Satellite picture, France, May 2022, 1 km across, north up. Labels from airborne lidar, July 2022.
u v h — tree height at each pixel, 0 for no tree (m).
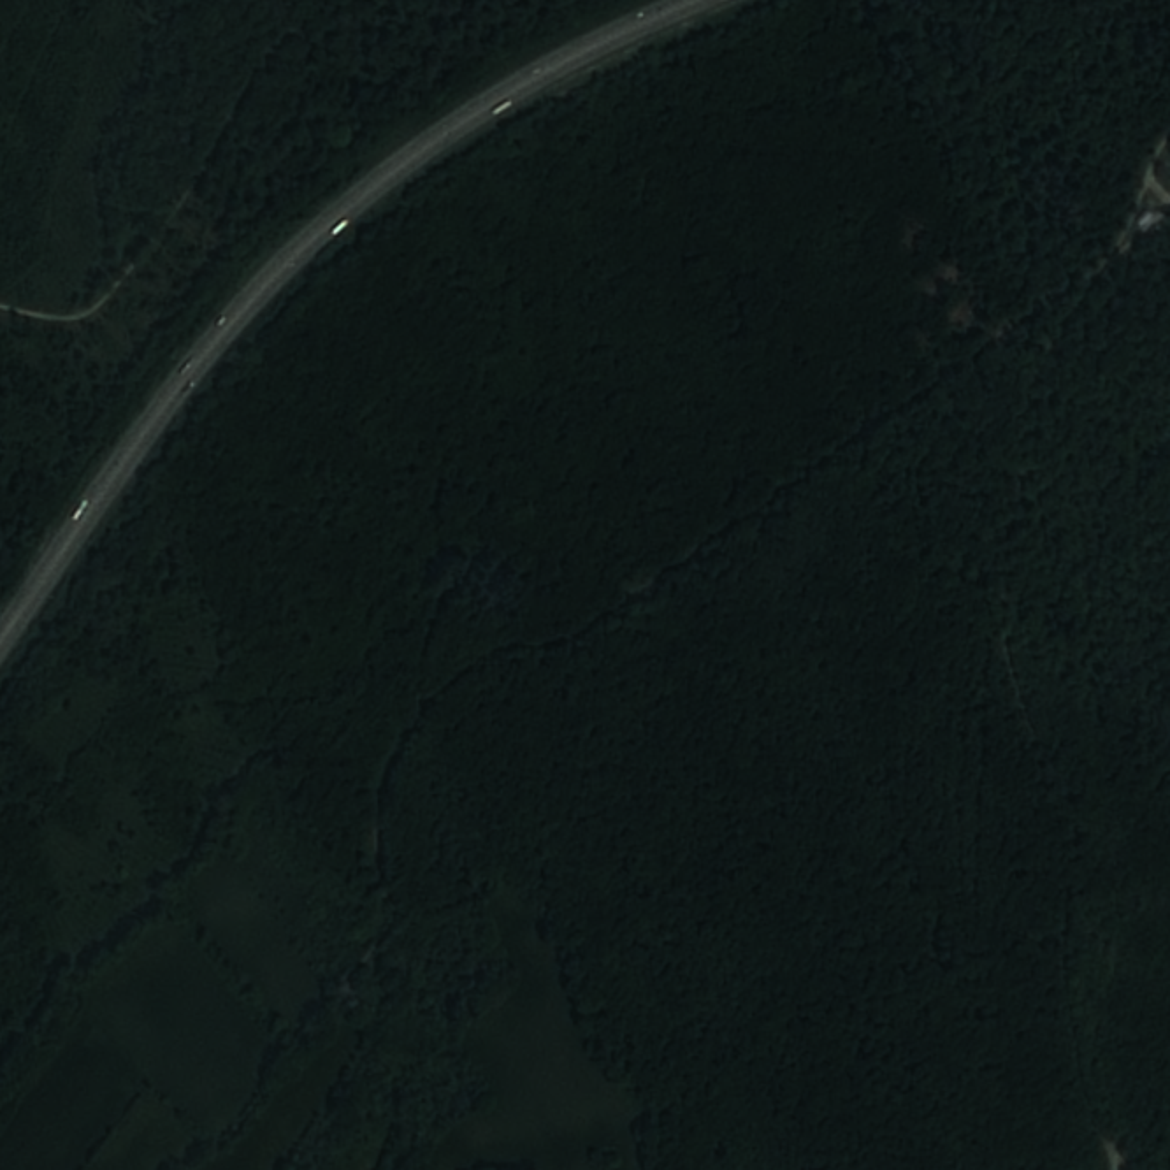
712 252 14
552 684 17
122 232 19
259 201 23
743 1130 19
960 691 16
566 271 12
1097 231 9
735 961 18
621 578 6
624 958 26
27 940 11
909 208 12
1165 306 20
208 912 0
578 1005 23
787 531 21
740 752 24
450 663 18
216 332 0
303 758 15
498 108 0
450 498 23
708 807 23
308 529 9
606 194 13
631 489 9
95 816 6
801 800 22
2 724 20
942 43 25
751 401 13
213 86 17
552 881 24
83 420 11
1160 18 11
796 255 12
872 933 24
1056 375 18
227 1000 0
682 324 13
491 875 15
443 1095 7
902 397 17
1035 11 21
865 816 17
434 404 12
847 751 22
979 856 17
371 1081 18
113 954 23
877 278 12
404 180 0
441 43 33
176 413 0
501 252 12
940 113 26
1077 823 17
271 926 0
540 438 11
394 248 15
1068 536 16
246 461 5
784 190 15
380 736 12
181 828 11
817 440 13
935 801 17
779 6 16
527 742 21
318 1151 16
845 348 12
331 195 20
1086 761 19
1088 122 16
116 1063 0
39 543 9
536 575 11
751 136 17
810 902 18
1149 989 14
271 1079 19
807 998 23
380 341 17
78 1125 0
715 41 15
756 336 20
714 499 11
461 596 21
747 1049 21
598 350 20
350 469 7
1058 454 19
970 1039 22
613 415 18
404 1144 21
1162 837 17
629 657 16
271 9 15
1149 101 9
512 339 10
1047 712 11
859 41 13
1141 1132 14
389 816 18
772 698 20
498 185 13
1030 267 19
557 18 11
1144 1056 21
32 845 8
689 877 20
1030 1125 17
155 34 18
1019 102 6
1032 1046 22
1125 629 18
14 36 6
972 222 6
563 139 14
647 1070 21
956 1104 23
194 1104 0
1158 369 17
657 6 0
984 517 22
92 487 0
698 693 20
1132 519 11
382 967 16
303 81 12
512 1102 0
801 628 19
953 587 14
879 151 12
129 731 7
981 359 20
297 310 11
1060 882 20
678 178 14
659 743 22
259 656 10
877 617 20
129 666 15
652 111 15
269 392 9
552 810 19
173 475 12
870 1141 21
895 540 20
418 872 23
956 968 26
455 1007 21
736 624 21
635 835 27
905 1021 24
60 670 12
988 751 16
